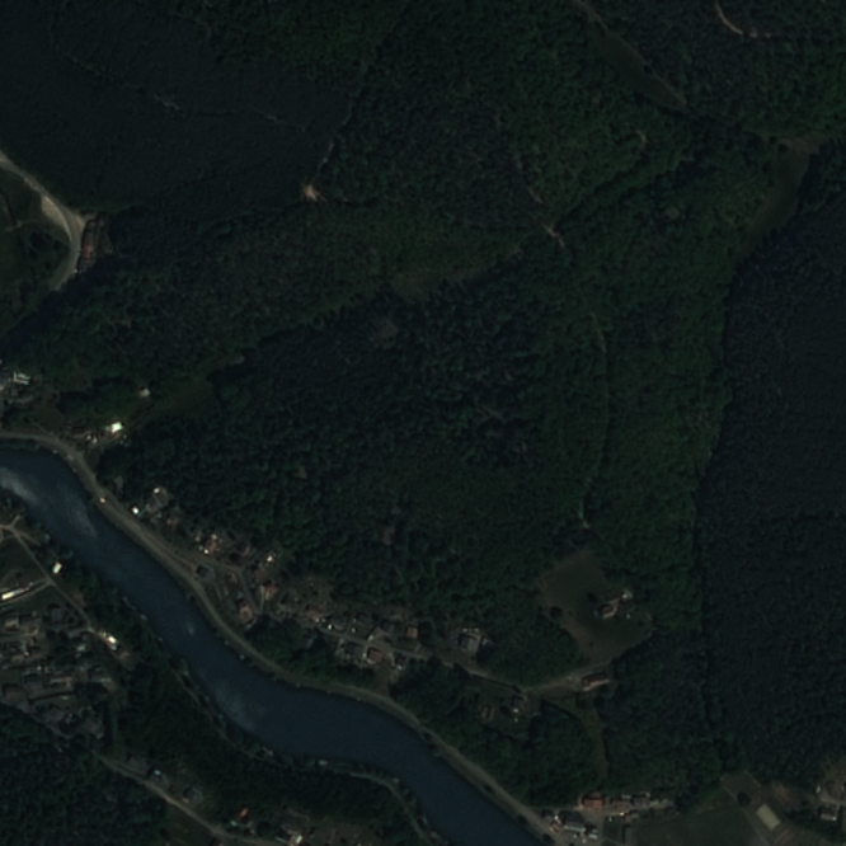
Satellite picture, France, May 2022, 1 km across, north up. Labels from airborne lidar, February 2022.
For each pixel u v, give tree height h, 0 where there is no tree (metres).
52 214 0
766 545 23
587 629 0
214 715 0
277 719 0
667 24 28
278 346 29
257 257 28
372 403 14
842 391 20
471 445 32
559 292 24
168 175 21
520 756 26
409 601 24
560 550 29
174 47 17
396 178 28
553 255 23
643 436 20
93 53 15
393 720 0
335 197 19
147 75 16
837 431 19
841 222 22
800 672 20
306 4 22
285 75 20
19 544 0
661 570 31
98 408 21
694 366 31
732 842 0
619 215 27
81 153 14
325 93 20
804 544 24
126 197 21
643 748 20
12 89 16
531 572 19
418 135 25
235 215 16
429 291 0
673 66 30
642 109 29
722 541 24
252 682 0
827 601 24
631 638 0
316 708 0
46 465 0
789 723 16
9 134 16
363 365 11
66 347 26
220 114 18
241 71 17
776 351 21
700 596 16
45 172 16
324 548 23
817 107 29
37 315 0
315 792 13
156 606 0
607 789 8
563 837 0
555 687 0
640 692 24
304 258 27
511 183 22
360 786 11
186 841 0
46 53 15
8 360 30
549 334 29
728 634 26
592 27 20
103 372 20
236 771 10
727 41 23
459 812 0
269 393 23
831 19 25
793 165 0
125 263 11
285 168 20
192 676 0
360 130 24
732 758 28
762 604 21
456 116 27
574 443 20
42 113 16
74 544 0
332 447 25
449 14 29
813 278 18
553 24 29
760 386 24
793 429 19
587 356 21
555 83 25
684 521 31
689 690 22
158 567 0
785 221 0
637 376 25
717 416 24
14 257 0
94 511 0
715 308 22
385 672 0
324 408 13
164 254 28
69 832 25
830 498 21
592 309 28
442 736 29
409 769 0
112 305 25
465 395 10
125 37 17
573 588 0
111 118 18
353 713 0
